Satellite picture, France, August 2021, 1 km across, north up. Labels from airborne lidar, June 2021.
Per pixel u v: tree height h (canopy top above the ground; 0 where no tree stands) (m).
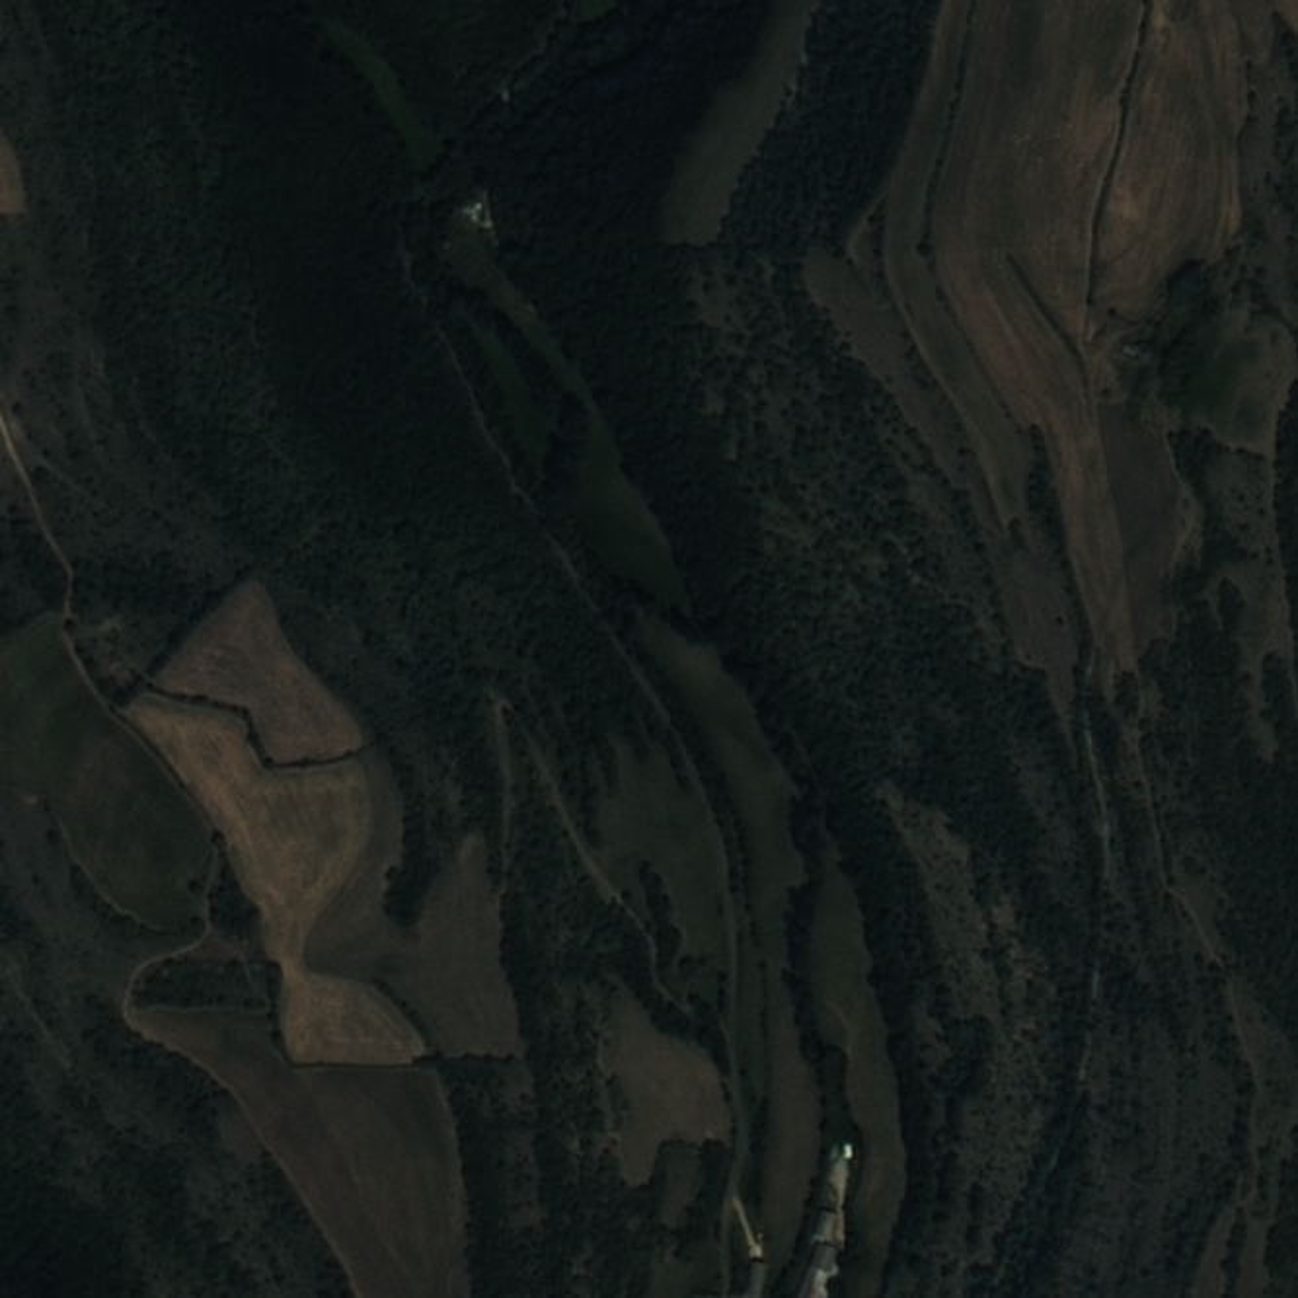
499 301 0
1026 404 0
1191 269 12
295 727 0
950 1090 8
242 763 0
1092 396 0
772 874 0
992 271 0
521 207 15
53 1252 15
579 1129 6
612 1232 6
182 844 0
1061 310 0
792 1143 0
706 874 0
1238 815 6
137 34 9
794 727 7
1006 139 0
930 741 7
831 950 0
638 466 20
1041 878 6
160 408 7
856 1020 0
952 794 7
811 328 7
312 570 9
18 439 0
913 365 5
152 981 8
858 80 10
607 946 7
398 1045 0
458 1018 0
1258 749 7
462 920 0
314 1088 0
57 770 0
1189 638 8
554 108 19
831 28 9
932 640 8
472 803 7
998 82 0
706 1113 0
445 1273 0
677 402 10
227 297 8
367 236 21
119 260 11
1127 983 11
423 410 18
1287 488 11
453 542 14
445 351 14
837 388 10
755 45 17
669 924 10
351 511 11
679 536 17
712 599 14
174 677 0
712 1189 7
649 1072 0
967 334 0
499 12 16
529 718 13
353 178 15
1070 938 7
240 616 0
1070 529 0
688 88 19
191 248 11
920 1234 11
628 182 17
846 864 7
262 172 12
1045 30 0
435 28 9
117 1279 8
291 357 11
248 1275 9
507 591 10
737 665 23
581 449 28
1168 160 0
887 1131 0
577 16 14
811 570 8
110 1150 6
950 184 0
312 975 0
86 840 0
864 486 7
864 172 8
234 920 7
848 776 6
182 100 8
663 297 14
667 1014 11
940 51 0
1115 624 0
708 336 7
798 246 8
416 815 6
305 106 24
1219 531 12
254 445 10
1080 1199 7
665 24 13
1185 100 0
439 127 18
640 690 15
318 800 0
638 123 20
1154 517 0
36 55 7
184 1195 8
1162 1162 0
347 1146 0
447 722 10
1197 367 0
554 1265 9
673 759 10
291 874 0
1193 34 0
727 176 0
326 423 18
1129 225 0
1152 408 0
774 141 10
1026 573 0
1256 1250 0
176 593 7
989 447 0
